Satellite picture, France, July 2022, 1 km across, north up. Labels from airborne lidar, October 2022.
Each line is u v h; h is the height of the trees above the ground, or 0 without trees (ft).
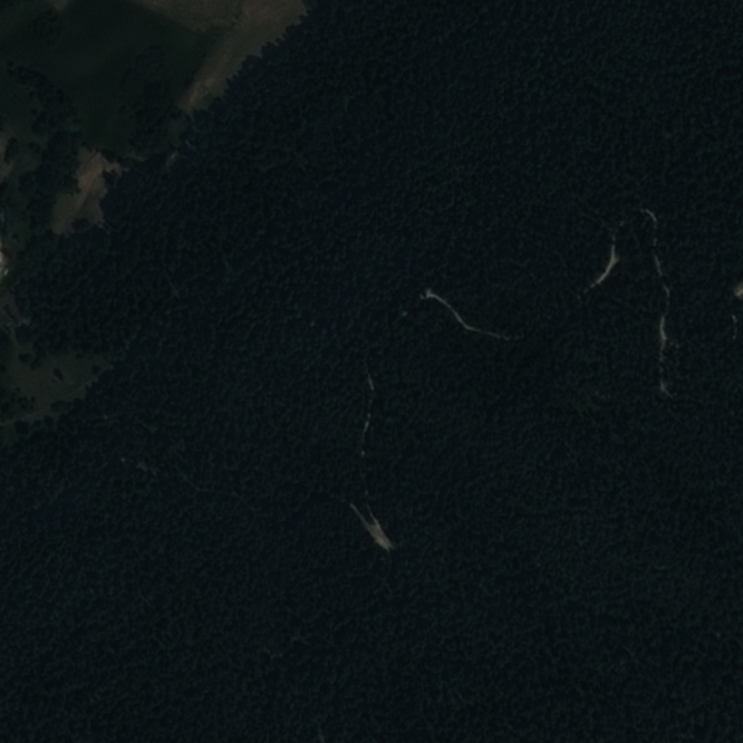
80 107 0
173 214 84
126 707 51
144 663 35
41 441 47
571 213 68
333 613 64
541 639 62
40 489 53
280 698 100
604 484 73
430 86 65
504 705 64
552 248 58
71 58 0
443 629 122
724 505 77
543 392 20
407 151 67
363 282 100
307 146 82
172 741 73
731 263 64
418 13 83
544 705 64
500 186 28
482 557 35
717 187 81
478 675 85
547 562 88
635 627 103
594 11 83
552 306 25
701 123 49
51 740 26
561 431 104
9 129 0
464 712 58
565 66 89
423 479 84
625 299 73
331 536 93
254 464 78
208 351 85
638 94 73
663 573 31
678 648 78
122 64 0
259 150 54
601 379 55
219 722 60
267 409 74
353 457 70
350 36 66
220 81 0
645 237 53
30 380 0
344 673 58
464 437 78
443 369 48
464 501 30
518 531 66
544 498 28
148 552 47
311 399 73
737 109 73
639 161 49
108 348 81
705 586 67
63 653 94
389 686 72
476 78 82
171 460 108
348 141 26
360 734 38
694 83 47
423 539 68
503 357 25
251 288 100
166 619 98
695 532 70
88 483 86
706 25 83
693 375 66
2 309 0
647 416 30
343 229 88
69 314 70
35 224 63
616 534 73
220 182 70
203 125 70
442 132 75
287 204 56
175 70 0
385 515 80
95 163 0
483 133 81
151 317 34
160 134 19
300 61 45
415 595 64
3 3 31
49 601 23
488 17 25
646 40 69
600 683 40
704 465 51
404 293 63
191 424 80
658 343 52
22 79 59
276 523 115
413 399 44
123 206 88
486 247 64
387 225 82
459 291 60
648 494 72
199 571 78
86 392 0
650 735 109
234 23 0
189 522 88
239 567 114
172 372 84
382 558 104
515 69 89
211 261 32
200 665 64
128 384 76
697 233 38
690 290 74
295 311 96
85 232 18
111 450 65
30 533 88
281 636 62
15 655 49
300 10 0
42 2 0
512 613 56
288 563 88
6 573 98
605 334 58
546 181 89
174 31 0
